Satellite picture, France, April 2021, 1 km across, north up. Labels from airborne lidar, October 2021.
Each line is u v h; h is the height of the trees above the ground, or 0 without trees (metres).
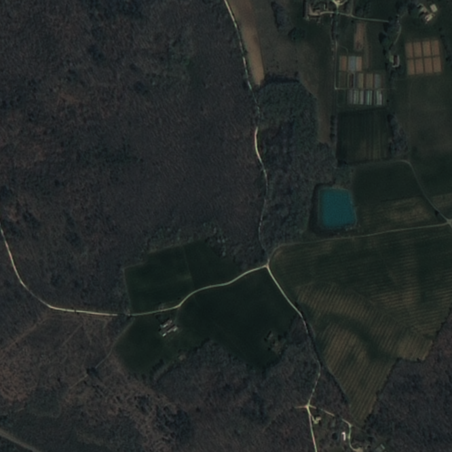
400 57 0
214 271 0
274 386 19
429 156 0
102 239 10
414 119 0
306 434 11
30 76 7
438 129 0
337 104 0
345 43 0
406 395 13
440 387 13
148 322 0
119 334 16
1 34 8
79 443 7
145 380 17
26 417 6
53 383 0
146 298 0
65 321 0
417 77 0
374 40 0
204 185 13
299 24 0
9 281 19
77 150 8
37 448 7
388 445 13
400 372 12
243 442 20
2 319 19
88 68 15
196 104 12
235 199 12
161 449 0
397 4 0
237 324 0
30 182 8
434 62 0
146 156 11
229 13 10
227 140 10
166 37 7
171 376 15
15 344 0
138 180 12
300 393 20
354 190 0
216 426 21
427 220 0
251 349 0
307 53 0
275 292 0
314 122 24
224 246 11
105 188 10
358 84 0
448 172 0
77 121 13
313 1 17
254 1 0
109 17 17
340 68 0
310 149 25
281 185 16
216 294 0
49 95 11
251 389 21
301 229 23
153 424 0
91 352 19
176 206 11
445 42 8
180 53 13
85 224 9
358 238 0
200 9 12
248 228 14
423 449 13
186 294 0
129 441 14
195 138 9
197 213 13
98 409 9
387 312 0
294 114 24
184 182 10
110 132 12
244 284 0
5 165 8
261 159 9
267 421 26
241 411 18
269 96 28
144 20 26
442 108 0
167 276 0
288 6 0
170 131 10
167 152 11
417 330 0
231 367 18
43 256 22
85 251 21
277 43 0
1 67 9
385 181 0
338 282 0
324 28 0
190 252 0
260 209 13
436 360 9
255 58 0
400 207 0
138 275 0
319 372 15
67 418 6
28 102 8
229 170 12
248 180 13
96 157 14
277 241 22
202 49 13
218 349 17
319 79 0
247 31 0
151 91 15
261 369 0
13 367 0
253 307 0
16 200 13
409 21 0
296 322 10
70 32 7
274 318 0
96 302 11
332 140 16
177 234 21
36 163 9
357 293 0
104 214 11
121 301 17
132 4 15
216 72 14
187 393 18
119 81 15
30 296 19
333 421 11
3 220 13
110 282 13
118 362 0
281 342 15
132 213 12
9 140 13
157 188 14
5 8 19
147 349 0
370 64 0
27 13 7
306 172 24
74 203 10
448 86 0
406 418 10
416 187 0
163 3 15
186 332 0
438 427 13
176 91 17
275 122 22
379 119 0
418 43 0
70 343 0
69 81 10
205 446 19
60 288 25
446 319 8
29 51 8
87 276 9
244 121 13
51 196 7
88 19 17
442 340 9
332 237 0
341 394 11
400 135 12
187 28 13
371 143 0
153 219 13
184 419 24
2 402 10
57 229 20
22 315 20
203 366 19
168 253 0
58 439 6
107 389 0
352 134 0
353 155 0
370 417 9
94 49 11
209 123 10
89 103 7
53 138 7
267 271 0
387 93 0
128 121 13
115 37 8
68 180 7
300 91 26
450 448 12
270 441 19
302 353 17
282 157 14
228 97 12
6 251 15
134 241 20
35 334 0
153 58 8
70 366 15
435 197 0
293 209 23
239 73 12
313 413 0
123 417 8
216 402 16
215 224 13
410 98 0
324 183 15
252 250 13
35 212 13
